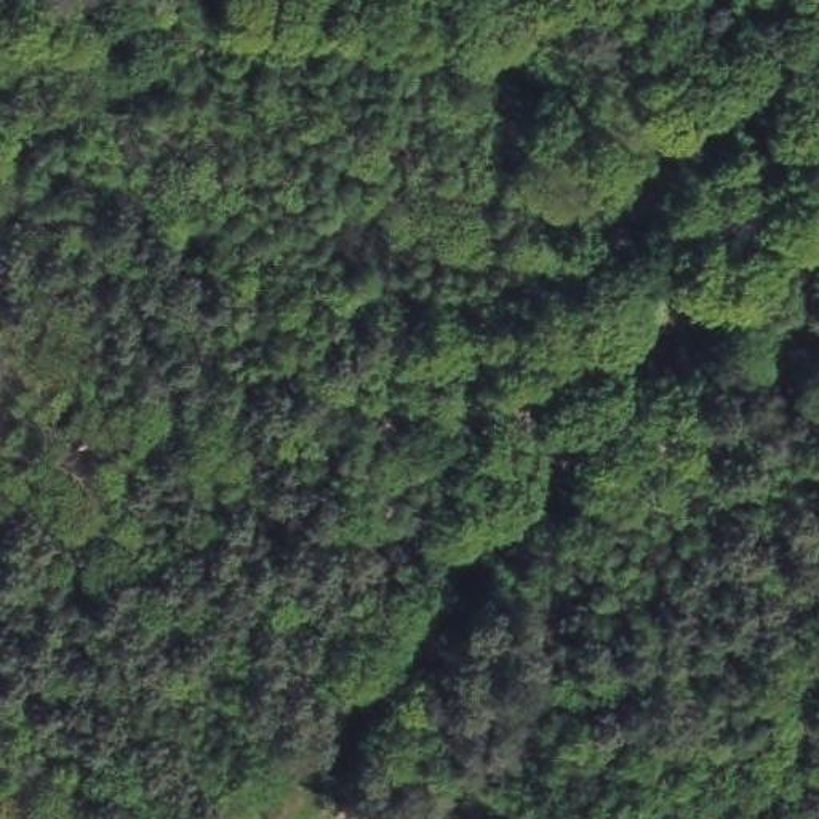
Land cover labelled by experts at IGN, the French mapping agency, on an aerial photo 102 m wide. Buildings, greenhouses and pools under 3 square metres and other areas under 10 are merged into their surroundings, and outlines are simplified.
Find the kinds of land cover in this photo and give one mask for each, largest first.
<instances>
[{"label":"coniferous trees","instance_id":"1","mask_svg":"<svg viewBox=\"0 0 819 819\"><path fill-rule=\"evenodd\" d=\"M406 0H198L205 22L214 32H221V51L253 58L266 51L298 61L320 54H342L358 61L362 45L349 35V29H355L358 22H381L387 6H403ZM579 29L569 13H560L521 29L512 38V48H486L483 58L473 61L464 74L473 83L496 80L493 106L499 115V134L493 147V173L509 179L515 189L518 176L525 173V163L531 160L534 134L541 131L534 125V112L544 102V86L550 83L534 70H525L521 64L531 58L541 38ZM803 112V102L781 96L774 90V96L758 112L736 122L723 134L707 138L697 154L662 157L659 173L637 189V198L621 211V218L601 227L608 253L592 272H528L518 285H509L496 301L435 304L438 323H461L473 336V342H528L544 320L563 317L566 310H585L601 288L614 285V278L624 275L633 262L646 266L656 259H669V282L675 288L701 291V272L713 250H726V266H745L749 259L777 262L781 253L761 243V234L774 221H793L800 214V195L781 198L777 205H765L755 218L704 237H672V227L681 224V218L697 205V189L704 179L758 160L761 192H771L787 182V163H781L774 154L777 118ZM166 192V186L154 176H147V186L141 189H109L74 173H58L42 198L22 202L0 218V819H246V809L224 806L227 793L240 790L246 781H256L272 768H285L298 784H304L317 797L320 809H333V819H505L499 813L505 806L499 787H525L534 797V806H541L547 793V771L553 768L557 755L566 745L589 739L601 742L611 733H617L624 745L601 765V771L592 777L579 774L563 784L566 806L579 819H589L608 793V781H617L621 768L646 758L656 749H717L726 742H749L765 729H774V720H765L758 713V704L765 701V688L777 681L781 672L797 669L800 662L809 669L816 681L803 694V739L793 765L800 771L819 768V333L793 330L777 355V378L765 387H752L736 362V342L723 326L694 323L685 314L665 320L656 346L633 368V374L637 384L656 400L669 394L675 384H701V422L710 429V493L688 499V505H681L678 512L646 515L640 528H621L611 518L576 509V493H585L598 473L617 467V445L605 441L595 451H557L550 464L544 518L525 531L521 541L486 550L473 563L451 569L445 608L432 621L425 640L419 643L403 681L384 697L346 713L339 704L330 701L339 691V681L349 675L352 653L368 646L381 649V643L394 633V605L400 595L397 576L406 566H419L425 553L410 537L384 541L378 547L320 544L317 528L323 525V515H330V509L336 505H346V489H339V477L346 457L336 448H330L326 461H282V441L262 438L272 422L304 419L307 390L304 381H298L294 374L266 378L253 384L250 368L278 362V355L285 352H307L310 339H304L294 330H275L262 339H243L240 346H224L221 352L208 355L202 352L192 333H166L160 317L144 314L147 301H163L173 307L192 282V272H211L214 256V243L205 234H195L182 250L163 240V234L154 227L147 214V208ZM605 653L611 656V665L621 678V697L601 707L553 704V688L566 678H592L589 665ZM605 371H582L569 384L557 387L547 403L528 406L534 419V441H544L547 432L557 429V416L563 410L576 403H601L598 387Z\"/></svg>","mask_w":819,"mask_h":819},{"label":"deciduous trees","instance_id":"2","mask_svg":"<svg viewBox=\"0 0 819 819\"><path fill-rule=\"evenodd\" d=\"M560 13H569L579 29L541 38L531 58L521 64L525 70H534L550 83L544 86V102L534 112V125L541 131L534 134L531 160L525 163V173L518 176L515 189L509 179L493 173V147L499 134V115L493 106L496 80L473 83L464 74L473 61L483 58L486 48H512V38L521 29ZM349 35L362 45L358 61L342 54H320L298 61L266 51L253 58L221 51V32H214L205 22L198 0H0V218L22 202L42 198L58 173H74L109 189H141L147 186V176H154L166 186V192L147 208V214L154 227L163 234V240L182 250L195 234H205L214 243V256L211 272H192V282L173 307L163 301H147L144 314L160 317L166 333H192L202 352L208 355L221 352L224 346H240L243 339H262L275 330H294L304 339H310L307 352H285L278 355V362L250 368L253 384L266 378L294 374L298 381H304L307 390L304 419L272 422L262 438L282 441V461H326L330 448H336L346 457L339 477V489H346V505H336L330 509V515H323V525L317 528L320 544L378 547L384 541L410 537L425 553L419 566H406L397 576L400 595L394 605V633L381 643V649L368 646L352 653L349 675L339 681V691L330 701L339 704L346 713L384 697L403 681L419 643L425 640L432 621L445 608L451 569L473 563L486 550L521 541L525 531L544 518L550 464L557 451H595L605 441L617 445V467L598 473L585 493H576V509L611 518L621 528H640L646 515L678 512L681 505H688V499L710 493V429L701 422V384H675L669 394L656 400L637 384L633 374V368L656 346L665 320L685 314L694 323L723 326L736 342V362L752 387H765L777 378V355L793 330L819 333V0H406L403 6H387L381 22H358L355 29H349ZM774 90L781 96L803 102V112L777 118L774 154L781 163H787V182L771 192H761L758 160L704 179L697 189V205L681 218V224L672 227V237H704L755 218L765 205H777L781 198L800 195V214L793 221H774L761 234V243L781 253L777 262L749 259L745 266H726V250H713L701 272V291L675 288L669 282V259H656L646 266L633 262L624 275L614 278V285L601 288L585 310H566L563 317L544 320L528 342H473V336L461 323H438L435 304L496 301L509 285H518L528 272H592L608 253L601 227L621 218V211L637 198V189L659 173L662 157L697 154L707 138L723 134L736 122L758 112L774 96ZM582 371H605L598 387L601 403H576L563 410L557 416V429L547 432L544 441H534V419L528 406L547 403L557 387L569 384ZM592 678H566L553 688V704L601 707L621 697V678L611 665V656L605 653L589 665ZM816 681L809 669L800 662L797 669L781 672L777 681L765 688V701L758 704V713L765 720H774V729H765L749 742H726L717 749H656L646 758L621 768L617 781H608V793L589 819H819V768L800 771L793 765L803 739V694ZM624 745L617 733H611L601 742L589 739L566 745L557 755L553 768L547 771V793L541 806H534V797L525 787H499L505 806L499 813L505 819H579L566 806L563 784L579 774L592 777L601 771V765ZM298 784L285 768H272L256 781H246L240 790L227 793L224 806L246 809L266 813L278 806Z\"/></svg>","mask_w":819,"mask_h":819},{"label":"herbaceous vegetation","instance_id":"3","mask_svg":"<svg viewBox=\"0 0 819 819\"><path fill-rule=\"evenodd\" d=\"M333 809H320L317 797L304 784H298L278 806L266 813L246 809V819H333Z\"/></svg>","mask_w":819,"mask_h":819}]
</instances>
